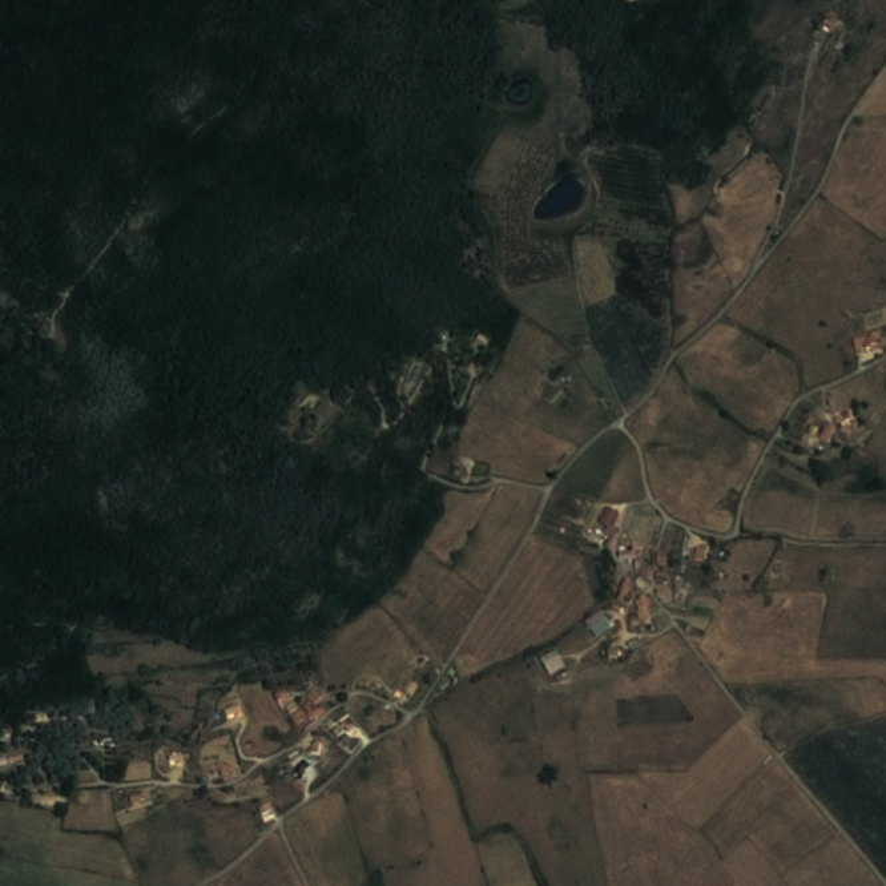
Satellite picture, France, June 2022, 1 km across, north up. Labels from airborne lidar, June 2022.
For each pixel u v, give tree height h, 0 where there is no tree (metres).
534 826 0
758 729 0
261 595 12
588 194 0
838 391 0
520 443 0
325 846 0
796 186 0
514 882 0
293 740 0
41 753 25
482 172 0
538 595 0
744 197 0
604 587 6
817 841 0
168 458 11
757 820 0
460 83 14
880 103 0
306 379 17
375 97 13
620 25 8
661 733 0
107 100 10
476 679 8
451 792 0
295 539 17
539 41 0
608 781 0
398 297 19
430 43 12
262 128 6
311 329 17
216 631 9
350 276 21
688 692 0
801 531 0
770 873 0
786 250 0
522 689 0
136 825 0
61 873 0
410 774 0
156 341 10
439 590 0
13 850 0
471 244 15
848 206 0
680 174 7
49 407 7
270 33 18
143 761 0
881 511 0
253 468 18
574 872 0
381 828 0
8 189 17
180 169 13
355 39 12
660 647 0
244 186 14
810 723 0
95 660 0
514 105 0
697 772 0
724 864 0
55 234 9
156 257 14
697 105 11
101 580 17
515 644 0
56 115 7
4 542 12
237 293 20
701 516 0
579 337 0
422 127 15
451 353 6
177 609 7
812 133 0
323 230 13
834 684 0
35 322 8
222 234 16
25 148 9
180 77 12
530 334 0
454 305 13
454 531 0
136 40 14
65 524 13
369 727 0
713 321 0
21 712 13
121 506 7
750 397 0
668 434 0
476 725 0
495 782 0
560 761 0
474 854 0
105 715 18
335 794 0
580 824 0
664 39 11
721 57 11
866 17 0
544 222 0
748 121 7
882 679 0
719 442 0
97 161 11
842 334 0
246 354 25
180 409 13
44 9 12
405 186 16
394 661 0
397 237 16
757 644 0
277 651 9
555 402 0
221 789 6
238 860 0
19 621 14
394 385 14
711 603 0
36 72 7
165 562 12
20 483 12
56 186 9
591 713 0
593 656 0
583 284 0
